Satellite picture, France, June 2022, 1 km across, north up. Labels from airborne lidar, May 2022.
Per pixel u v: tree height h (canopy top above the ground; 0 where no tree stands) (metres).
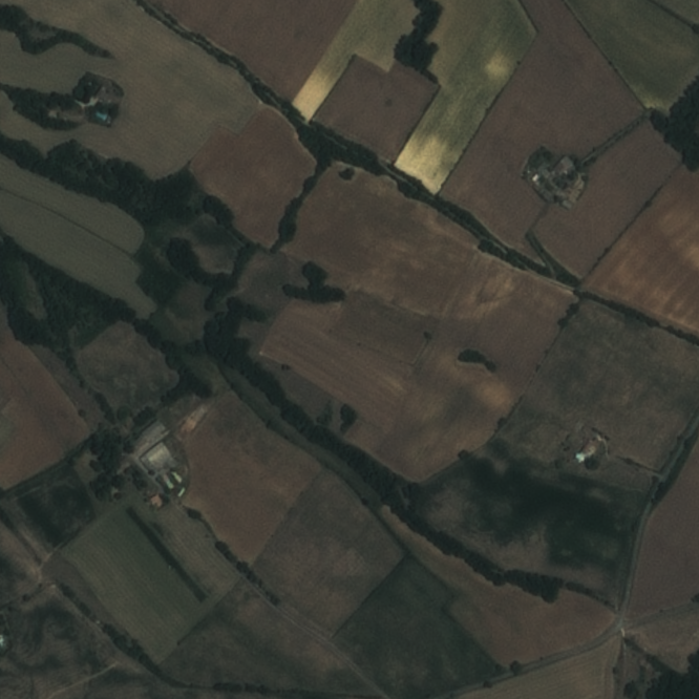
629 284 0
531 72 0
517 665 13
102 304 10
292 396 0
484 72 0
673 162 0
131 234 0
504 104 0
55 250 0
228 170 0
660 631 0
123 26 0
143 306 0
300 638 0
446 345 0
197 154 0
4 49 0
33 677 0
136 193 8
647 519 0
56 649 0
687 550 0
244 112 0
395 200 0
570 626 0
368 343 0
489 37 0
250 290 0
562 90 0
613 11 0
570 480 0
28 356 0
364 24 0
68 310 8
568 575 0
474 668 0
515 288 0
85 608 7
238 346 17
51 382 0
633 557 0
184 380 15
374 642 0
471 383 0
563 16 0
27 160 18
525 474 0
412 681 0
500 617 0
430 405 0
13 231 0
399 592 0
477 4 0
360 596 0
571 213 0
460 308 0
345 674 0
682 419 0
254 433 0
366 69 0
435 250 0
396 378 0
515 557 0
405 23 0
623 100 0
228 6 0
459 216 9
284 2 0
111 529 0
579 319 0
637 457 0
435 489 0
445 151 0
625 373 0
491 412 0
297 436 0
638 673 0
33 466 0
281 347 0
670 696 11
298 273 0
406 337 0
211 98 0
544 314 0
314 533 0
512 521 0
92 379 0
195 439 0
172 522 0
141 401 0
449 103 0
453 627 0
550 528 0
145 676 0
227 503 0
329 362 0
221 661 0
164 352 14
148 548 0
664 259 0
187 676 0
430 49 20
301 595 0
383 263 0
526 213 0
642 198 0
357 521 0
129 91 0
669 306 0
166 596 0
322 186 0
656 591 0
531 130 0
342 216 0
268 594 9
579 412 0
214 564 0
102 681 0
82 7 0
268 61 0
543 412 0
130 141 0
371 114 0
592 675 0
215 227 0
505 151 0
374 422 0
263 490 0
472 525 0
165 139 0
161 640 0
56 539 0
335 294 12
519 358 0
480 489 0
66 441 0
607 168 0
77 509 0
